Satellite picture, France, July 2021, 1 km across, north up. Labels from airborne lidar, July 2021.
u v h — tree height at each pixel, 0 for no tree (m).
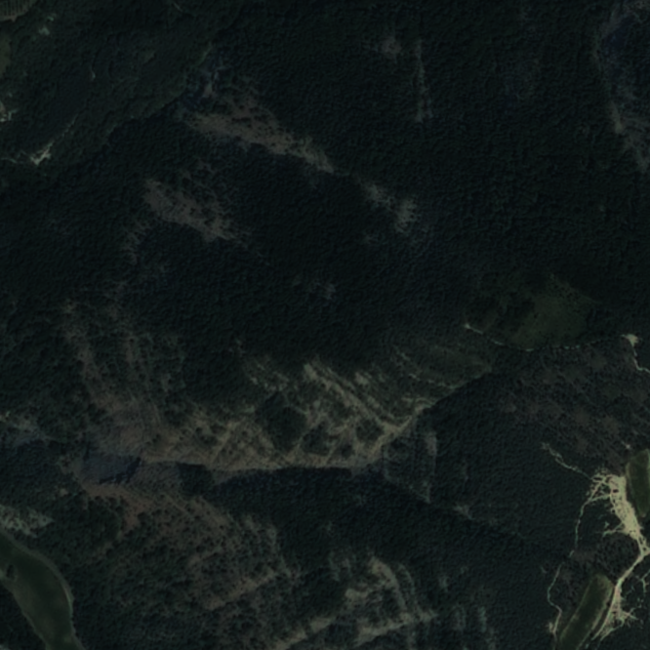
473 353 6
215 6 7
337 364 8
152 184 0
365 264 19
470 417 11
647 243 20
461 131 17
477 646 10
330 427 0
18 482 12
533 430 7
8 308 13
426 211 7
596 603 0
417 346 7
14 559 0
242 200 10
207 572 8
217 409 8
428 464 7
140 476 0
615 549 8
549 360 13
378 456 0
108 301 7
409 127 19
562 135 26
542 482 7
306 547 13
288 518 9
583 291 10
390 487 11
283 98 10
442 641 12
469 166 22
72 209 16
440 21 22
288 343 14
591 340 8
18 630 15
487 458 8
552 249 24
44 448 10
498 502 6
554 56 12
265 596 6
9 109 6
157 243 8
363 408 0
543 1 16
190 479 10
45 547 7
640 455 0
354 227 16
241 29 22
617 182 19
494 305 11
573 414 8
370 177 7
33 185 12
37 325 11
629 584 6
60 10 15
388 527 15
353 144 17
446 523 15
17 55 10
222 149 6
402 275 12
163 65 12
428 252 9
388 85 11
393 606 8
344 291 13
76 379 8
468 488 11
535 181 21
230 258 11
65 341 10
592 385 8
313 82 15
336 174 7
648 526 7
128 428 0
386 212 7
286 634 8
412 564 8
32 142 10
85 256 17
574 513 6
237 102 8
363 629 0
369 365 7
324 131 11
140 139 17
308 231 19
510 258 23
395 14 13
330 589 9
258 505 9
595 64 9
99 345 10
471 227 23
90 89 14
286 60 16
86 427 7
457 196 16
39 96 24
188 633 7
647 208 25
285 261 18
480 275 10
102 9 22
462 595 6
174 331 9
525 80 6
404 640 7
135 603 9
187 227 7
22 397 9
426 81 7
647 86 13
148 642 6
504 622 6
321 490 20
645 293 21
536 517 6
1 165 6
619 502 0
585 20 13
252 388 7
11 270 15
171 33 10
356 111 18
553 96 11
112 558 11
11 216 14
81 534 7
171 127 15
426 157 21
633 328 10
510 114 6
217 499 7
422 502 7
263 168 11
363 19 16
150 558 8
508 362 8
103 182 17
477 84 7
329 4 22
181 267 11
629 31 6
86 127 12
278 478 7
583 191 27
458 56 15
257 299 24
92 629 14
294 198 15
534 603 6
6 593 11
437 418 9
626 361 10
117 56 11
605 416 10
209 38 11
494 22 18
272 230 18
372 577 8
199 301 15
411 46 9
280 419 8
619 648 8
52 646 0
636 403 11
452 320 10
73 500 7
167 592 8
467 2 16
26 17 11
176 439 0
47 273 17
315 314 15
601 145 28
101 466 0
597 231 19
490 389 7
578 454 8
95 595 13
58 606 0
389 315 7
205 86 11
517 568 7
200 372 13
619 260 24
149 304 8
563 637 0
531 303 11
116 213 12
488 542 18
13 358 8
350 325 17
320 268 9
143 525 9
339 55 13
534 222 28
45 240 15
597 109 20
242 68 12
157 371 6
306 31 25
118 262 11
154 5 18
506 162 17
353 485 7
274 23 25
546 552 9
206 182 8
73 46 16
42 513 8
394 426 0
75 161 6
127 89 13
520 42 13
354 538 10
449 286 14
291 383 6
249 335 12
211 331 21
